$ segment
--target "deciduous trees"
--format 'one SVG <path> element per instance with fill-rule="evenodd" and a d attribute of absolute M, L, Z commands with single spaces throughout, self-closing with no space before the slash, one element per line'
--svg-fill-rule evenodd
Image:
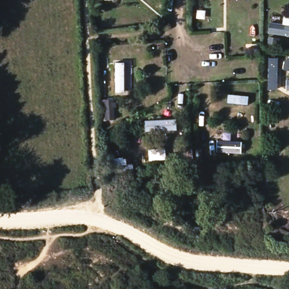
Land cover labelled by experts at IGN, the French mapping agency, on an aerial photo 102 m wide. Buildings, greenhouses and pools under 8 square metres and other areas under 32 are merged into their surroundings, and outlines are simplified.
<path fill-rule="evenodd" d="M 192 157 L 178 159 L 177 151 L 174 150 L 166 156 L 163 160 L 165 164 L 158 168 L 158 173 L 163 177 L 160 179 L 159 191 L 152 204 L 160 214 L 159 224 L 172 220 L 178 225 L 177 228 L 168 227 L 167 233 L 177 235 L 187 222 L 195 235 L 204 236 L 204 244 L 221 245 L 227 242 L 229 246 L 235 244 L 233 231 L 238 230 L 237 226 L 229 224 L 236 213 L 246 211 L 253 204 L 263 204 L 263 196 L 257 192 L 255 183 L 266 178 L 270 182 L 278 183 L 281 176 L 268 158 L 279 148 L 279 144 L 275 143 L 277 138 L 262 132 L 261 132 L 261 155 L 253 155 L 248 161 L 240 161 L 239 164 L 221 164 L 217 168 L 218 173 L 213 175 L 217 186 L 204 185 L 199 189 L 193 187 L 194 179 L 199 178 L 199 172 L 196 165 L 198 160 Z"/>
<path fill-rule="evenodd" d="M 131 132 L 138 138 L 144 131 L 144 126 L 135 124 L 134 121 L 128 122 L 124 119 L 119 122 L 116 119 L 111 124 L 111 140 L 117 147 L 125 147 L 126 133 Z"/>
<path fill-rule="evenodd" d="M 25 210 L 27 193 L 12 181 L 10 176 L 0 176 L 0 214 Z"/>

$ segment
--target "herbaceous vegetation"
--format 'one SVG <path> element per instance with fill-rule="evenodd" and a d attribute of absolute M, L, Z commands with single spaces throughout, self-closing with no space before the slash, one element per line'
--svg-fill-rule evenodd
<path fill-rule="evenodd" d="M 234 143 L 243 143 L 243 155 L 253 155 L 261 155 L 261 132 L 247 130 L 246 140 L 239 138 L 239 131 L 237 135 L 230 135 L 230 140 Z"/>
<path fill-rule="evenodd" d="M 204 19 L 200 19 L 203 28 L 216 29 L 226 30 L 230 33 L 230 50 L 234 54 L 240 47 L 249 49 L 255 46 L 255 34 L 259 35 L 259 27 L 262 26 L 264 45 L 269 44 L 268 20 L 283 21 L 283 18 L 289 18 L 289 0 L 212 0 L 211 16 L 205 16 Z"/>
<path fill-rule="evenodd" d="M 266 178 L 255 183 L 257 192 L 263 196 L 263 204 L 263 228 L 270 226 L 275 219 L 282 218 L 282 211 L 289 209 L 289 89 L 280 87 L 270 93 L 268 91 L 269 59 L 275 59 L 275 55 L 265 53 L 261 49 L 257 52 L 264 59 L 262 102 L 277 104 L 281 111 L 278 117 L 280 122 L 263 125 L 262 132 L 277 138 L 275 143 L 279 144 L 279 148 L 268 158 L 281 176 L 278 183 L 270 182 Z"/>
<path fill-rule="evenodd" d="M 78 126 L 79 102 L 73 14 L 80 9 L 78 0 L 0 0 L 0 176 L 10 176 L 12 181 L 27 193 L 25 210 L 36 211 L 43 208 L 47 194 L 62 193 L 62 187 L 80 185 L 78 178 L 82 172 L 81 137 Z"/>
<path fill-rule="evenodd" d="M 183 134 L 187 142 L 185 148 L 191 152 L 192 157 L 198 160 L 196 165 L 199 172 L 199 178 L 194 179 L 193 187 L 199 189 L 204 185 L 217 186 L 213 175 L 218 173 L 217 168 L 221 164 L 210 155 L 209 142 L 210 137 L 222 139 L 222 133 L 227 133 L 224 123 L 227 121 L 236 125 L 238 130 L 243 130 L 249 122 L 254 122 L 253 103 L 256 95 L 249 91 L 236 90 L 234 81 L 237 81 L 237 78 L 259 76 L 259 65 L 254 60 L 229 61 L 227 56 L 221 56 L 220 60 L 209 60 L 208 63 L 214 62 L 212 71 L 208 75 L 196 76 L 195 79 L 198 81 L 202 81 L 204 85 L 200 91 L 207 95 L 205 103 L 209 106 L 209 115 L 213 116 L 214 112 L 218 112 L 219 117 L 216 128 L 211 126 L 208 129 L 208 122 L 204 121 L 198 130 Z M 248 102 L 246 105 L 228 104 L 228 95 L 246 96 Z"/>
<path fill-rule="evenodd" d="M 165 0 L 97 0 L 100 3 L 98 10 L 103 10 L 103 14 L 102 17 L 94 17 L 94 25 L 98 30 L 106 29 L 108 34 L 98 36 L 95 40 L 102 46 L 102 52 L 98 54 L 97 82 L 99 104 L 103 112 L 96 131 L 105 138 L 108 154 L 117 158 L 117 163 L 121 163 L 122 169 L 128 170 L 133 178 L 138 177 L 137 169 L 146 168 L 144 164 L 149 160 L 148 152 L 139 146 L 138 138 L 131 132 L 126 133 L 125 147 L 117 147 L 111 140 L 111 124 L 103 121 L 106 112 L 104 99 L 110 95 L 115 63 L 124 64 L 124 89 L 128 93 L 134 88 L 134 71 L 140 71 L 144 73 L 144 81 L 150 86 L 152 95 L 156 95 L 165 87 L 165 80 L 170 79 L 170 63 L 177 58 L 175 50 L 160 53 L 156 58 L 148 58 L 147 43 L 159 42 L 165 35 L 166 27 L 176 27 L 177 14 L 168 8 Z M 158 34 L 144 32 L 142 26 L 138 30 L 134 30 L 133 27 L 114 28 L 115 24 L 151 21 L 156 16 L 161 17 Z"/>
<path fill-rule="evenodd" d="M 46 275 L 54 272 L 52 264 L 72 268 L 77 261 L 76 256 L 72 249 L 63 249 L 62 237 L 54 240 L 50 251 L 63 251 L 63 255 L 43 261 L 29 272 L 34 280 L 43 281 Z"/>

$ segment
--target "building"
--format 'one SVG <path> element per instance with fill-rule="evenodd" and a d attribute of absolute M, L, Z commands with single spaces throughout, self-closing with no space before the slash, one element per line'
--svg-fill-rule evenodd
<path fill-rule="evenodd" d="M 243 155 L 243 143 L 234 143 L 230 140 L 230 135 L 227 133 L 222 133 L 222 139 L 210 137 L 209 142 L 210 155 L 221 164 L 239 164 L 240 161 L 248 161 L 253 155 Z"/>
<path fill-rule="evenodd" d="M 289 18 L 283 18 L 283 21 L 268 20 L 269 44 L 278 43 L 282 49 L 289 50 Z"/>
<path fill-rule="evenodd" d="M 228 104 L 246 105 L 248 102 L 246 96 L 228 95 Z"/>
<path fill-rule="evenodd" d="M 203 10 L 196 11 L 196 18 L 200 19 L 204 19 L 205 16 Z"/>
<path fill-rule="evenodd" d="M 152 95 L 142 100 L 143 105 L 158 104 L 160 99 L 168 95 L 168 87 L 165 87 L 156 95 Z"/>
<path fill-rule="evenodd" d="M 269 59 L 268 91 L 270 93 L 280 87 L 289 89 L 289 56 L 284 58 L 275 55 L 275 59 Z"/>
<path fill-rule="evenodd" d="M 103 121 L 111 124 L 116 119 L 121 113 L 116 96 L 128 93 L 124 89 L 124 64 L 115 63 L 110 95 L 104 99 L 106 112 Z"/>
<path fill-rule="evenodd" d="M 163 160 L 166 156 L 156 150 L 148 152 L 149 160 Z"/>
<path fill-rule="evenodd" d="M 144 131 L 149 132 L 160 126 L 168 131 L 175 131 L 176 123 L 174 120 L 146 121 L 144 126 Z"/>

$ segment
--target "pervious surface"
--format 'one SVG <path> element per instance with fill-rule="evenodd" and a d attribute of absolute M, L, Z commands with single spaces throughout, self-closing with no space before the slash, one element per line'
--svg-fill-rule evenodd
<path fill-rule="evenodd" d="M 82 59 L 87 59 L 91 115 L 93 119 L 97 116 L 97 99 L 93 97 L 93 71 L 91 55 L 87 49 L 91 40 L 95 40 L 98 36 L 87 33 L 87 0 L 78 0 L 80 9 L 81 51 Z"/>
<path fill-rule="evenodd" d="M 170 63 L 170 79 L 181 82 L 198 81 L 195 79 L 196 76 L 208 75 L 212 71 L 214 62 L 208 63 L 209 60 L 220 60 L 221 56 L 213 54 L 211 45 L 225 44 L 226 30 L 216 29 L 214 33 L 203 35 L 190 35 L 186 32 L 182 26 L 182 7 L 185 6 L 186 0 L 165 0 L 168 8 L 177 14 L 176 27 L 166 27 L 165 35 L 173 37 L 175 50 L 177 58 Z"/>
<path fill-rule="evenodd" d="M 45 246 L 35 260 L 27 263 L 18 262 L 15 268 L 10 270 L 15 279 L 18 275 L 23 277 L 29 272 L 43 261 L 63 255 L 63 251 L 50 251 L 54 240 L 62 237 L 82 237 L 91 233 L 123 235 L 165 263 L 182 265 L 186 269 L 265 275 L 283 275 L 286 272 L 289 274 L 289 262 L 196 255 L 179 251 L 125 224 L 124 221 L 107 216 L 100 190 L 85 202 L 68 207 L 59 205 L 55 208 L 43 208 L 36 211 L 25 210 L 0 214 L 0 228 L 41 230 L 41 234 L 37 236 L 0 235 L 0 239 L 16 242 L 45 239 Z"/>

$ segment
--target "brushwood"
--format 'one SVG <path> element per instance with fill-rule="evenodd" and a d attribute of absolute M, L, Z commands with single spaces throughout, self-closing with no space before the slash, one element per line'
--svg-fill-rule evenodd
<path fill-rule="evenodd" d="M 200 91 L 204 85 L 202 81 L 198 81 L 181 82 L 170 79 L 165 80 L 165 87 L 168 87 L 168 95 L 160 99 L 158 104 L 143 105 L 142 100 L 152 95 L 150 86 L 144 81 L 144 73 L 140 71 L 134 71 L 134 88 L 128 93 L 116 96 L 121 113 L 116 119 L 119 122 L 124 119 L 128 122 L 134 121 L 135 124 L 144 126 L 146 121 L 174 120 L 176 123 L 175 131 L 168 131 L 160 126 L 149 132 L 144 131 L 138 138 L 139 146 L 148 152 L 156 150 L 166 156 L 174 150 L 177 151 L 178 159 L 192 157 L 191 152 L 185 148 L 187 142 L 183 134 L 198 130 L 204 121 L 208 122 L 208 129 L 211 126 L 216 128 L 219 117 L 218 112 L 214 112 L 213 116 L 209 115 L 209 106 L 205 103 L 207 95 Z"/>
<path fill-rule="evenodd" d="M 275 55 L 284 58 L 289 56 L 289 50 L 282 49 L 278 43 L 269 44 L 264 45 L 262 26 L 259 27 L 259 35 L 255 34 L 255 46 L 249 49 L 240 47 L 234 54 L 230 50 L 230 33 L 226 30 L 225 44 L 211 45 L 213 54 L 221 56 L 227 56 L 229 61 L 254 60 L 259 65 L 259 76 L 237 78 L 237 81 L 234 81 L 236 90 L 249 91 L 256 95 L 253 103 L 254 122 L 249 122 L 243 130 L 238 130 L 236 125 L 227 121 L 224 123 L 227 133 L 230 135 L 237 135 L 239 131 L 239 138 L 246 140 L 247 130 L 261 132 L 262 132 L 263 125 L 280 122 L 278 117 L 281 111 L 277 104 L 262 102 L 264 59 L 257 52 L 261 49 L 265 53 Z"/>
<path fill-rule="evenodd" d="M 78 178 L 80 185 L 62 187 L 62 193 L 47 194 L 43 208 L 55 208 L 59 205 L 68 207 L 85 202 L 100 190 L 107 216 L 124 221 L 125 224 L 179 251 L 196 255 L 289 262 L 289 209 L 282 211 L 282 218 L 275 219 L 270 226 L 263 228 L 263 204 L 253 204 L 246 211 L 236 213 L 229 224 L 237 226 L 238 230 L 233 231 L 235 244 L 229 246 L 227 242 L 221 245 L 204 244 L 204 236 L 195 235 L 187 222 L 177 235 L 167 233 L 168 227 L 177 228 L 178 225 L 172 220 L 159 224 L 160 214 L 152 204 L 159 191 L 160 179 L 163 177 L 158 173 L 158 168 L 165 164 L 163 160 L 149 160 L 144 164 L 146 168 L 137 169 L 138 177 L 133 178 L 128 170 L 122 169 L 121 163 L 117 163 L 117 158 L 108 154 L 105 138 L 96 131 L 103 112 L 99 104 L 97 82 L 98 54 L 102 52 L 102 46 L 95 40 L 91 40 L 87 49 L 91 55 L 93 71 L 93 97 L 97 99 L 97 116 L 93 119 L 91 115 L 87 59 L 82 59 L 81 51 L 80 9 L 73 14 L 79 102 L 78 126 L 81 137 L 82 172 Z"/>
<path fill-rule="evenodd" d="M 160 53 L 175 50 L 173 37 L 165 35 L 159 42 L 147 43 L 148 58 L 156 58 Z"/>
<path fill-rule="evenodd" d="M 185 6 L 182 7 L 182 26 L 186 32 L 190 35 L 203 35 L 214 33 L 216 29 L 203 28 L 200 19 L 196 18 L 196 11 L 203 10 L 205 16 L 211 16 L 212 0 L 186 0 Z"/>
<path fill-rule="evenodd" d="M 41 234 L 41 230 L 0 228 L 0 235 L 37 236 Z"/>
<path fill-rule="evenodd" d="M 82 237 L 62 237 L 63 249 L 72 249 L 76 256 L 77 261 L 72 268 L 52 264 L 54 272 L 46 275 L 43 281 L 34 280 L 29 272 L 23 277 L 18 275 L 15 279 L 10 270 L 15 268 L 18 262 L 27 263 L 35 260 L 45 246 L 45 239 L 16 242 L 0 239 L 0 289 L 289 289 L 289 274 L 286 272 L 283 275 L 265 275 L 186 269 L 182 265 L 165 263 L 123 235 L 91 233 Z"/>
<path fill-rule="evenodd" d="M 94 17 L 102 17 L 103 14 L 103 10 L 98 10 L 100 3 L 97 0 L 87 0 L 87 33 L 98 36 L 108 34 L 106 29 L 98 30 L 94 25 Z"/>
<path fill-rule="evenodd" d="M 142 26 L 144 32 L 158 34 L 161 17 L 156 16 L 151 21 L 115 24 L 114 28 L 133 27 L 134 30 L 138 30 Z"/>

